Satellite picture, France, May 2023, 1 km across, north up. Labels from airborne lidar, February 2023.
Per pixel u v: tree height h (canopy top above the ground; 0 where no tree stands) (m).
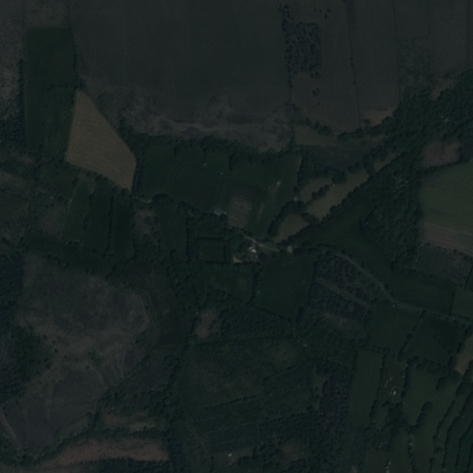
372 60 0
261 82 0
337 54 0
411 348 0
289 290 0
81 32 0
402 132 7
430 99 12
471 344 0
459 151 7
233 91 0
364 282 8
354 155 0
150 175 0
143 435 7
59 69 0
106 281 8
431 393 0
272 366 0
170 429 7
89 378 0
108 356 0
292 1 0
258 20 0
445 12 0
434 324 0
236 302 13
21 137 20
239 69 0
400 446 0
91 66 0
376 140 0
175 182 0
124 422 0
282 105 0
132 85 0
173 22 0
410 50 0
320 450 14
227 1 0
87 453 0
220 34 0
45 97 0
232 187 0
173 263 16
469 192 0
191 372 0
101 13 0
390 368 0
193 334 9
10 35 0
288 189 0
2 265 26
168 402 10
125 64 0
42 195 8
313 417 10
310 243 10
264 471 10
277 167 0
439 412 0
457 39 0
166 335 0
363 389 0
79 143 0
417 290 0
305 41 16
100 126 0
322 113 0
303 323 10
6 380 21
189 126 0
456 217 0
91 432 9
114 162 0
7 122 10
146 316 0
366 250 0
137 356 0
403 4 0
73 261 0
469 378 10
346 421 7
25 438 0
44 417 0
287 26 17
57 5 0
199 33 0
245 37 0
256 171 0
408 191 7
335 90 0
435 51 0
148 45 0
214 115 0
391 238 8
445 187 0
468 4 0
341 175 16
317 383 0
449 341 0
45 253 0
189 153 0
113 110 0
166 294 0
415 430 14
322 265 12
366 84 0
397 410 14
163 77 0
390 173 12
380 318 0
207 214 11
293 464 11
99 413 10
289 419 7
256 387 0
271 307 0
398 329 0
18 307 13
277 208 0
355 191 9
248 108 0
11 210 0
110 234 8
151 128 0
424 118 6
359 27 0
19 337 14
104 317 0
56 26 0
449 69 0
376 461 0
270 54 0
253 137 0
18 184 0
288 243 15
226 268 15
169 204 12
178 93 0
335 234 0
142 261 10
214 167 0
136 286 8
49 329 0
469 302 0
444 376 13
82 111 0
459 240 0
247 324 8
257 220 0
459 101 6
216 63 0
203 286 19
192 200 0
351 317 13
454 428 10
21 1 0
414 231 10
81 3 0
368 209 0
